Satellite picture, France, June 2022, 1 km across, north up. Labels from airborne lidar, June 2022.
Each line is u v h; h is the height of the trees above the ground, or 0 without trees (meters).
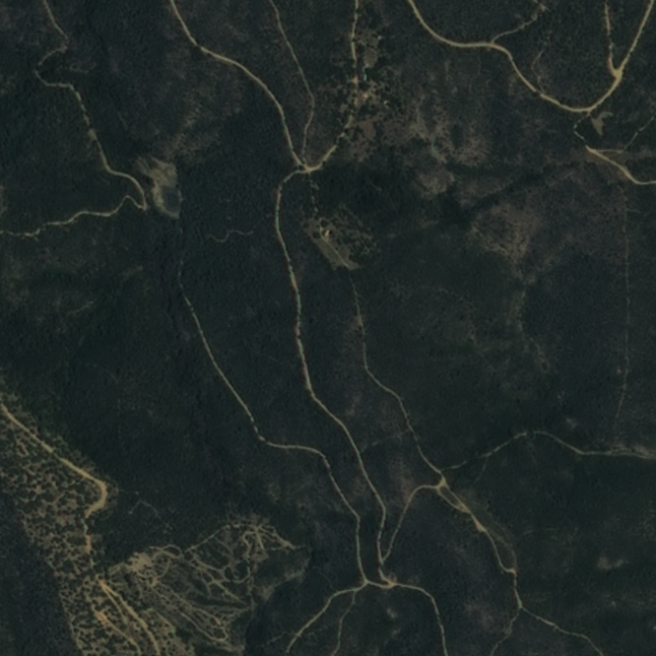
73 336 7
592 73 7
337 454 7
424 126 0
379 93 6
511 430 10
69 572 6
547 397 7
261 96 6
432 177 0
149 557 0
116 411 7
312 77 5
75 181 11
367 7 6
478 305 7
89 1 7
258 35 6
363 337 6
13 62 6
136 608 9
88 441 7
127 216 8
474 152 0
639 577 7
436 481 7
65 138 7
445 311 9
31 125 12
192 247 10
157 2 6
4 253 7
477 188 0
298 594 7
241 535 7
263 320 9
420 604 7
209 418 11
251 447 9
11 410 7
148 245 10
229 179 6
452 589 6
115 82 7
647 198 6
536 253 7
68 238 7
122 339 7
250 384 6
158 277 9
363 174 7
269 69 6
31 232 7
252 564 7
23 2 7
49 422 7
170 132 6
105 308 8
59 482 8
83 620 8
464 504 0
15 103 6
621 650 6
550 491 8
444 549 6
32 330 10
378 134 7
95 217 6
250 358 6
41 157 6
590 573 9
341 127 7
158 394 7
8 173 10
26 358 6
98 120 9
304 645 6
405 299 7
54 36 9
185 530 6
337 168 9
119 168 6
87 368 6
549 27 6
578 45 9
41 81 12
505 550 0
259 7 9
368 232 6
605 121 8
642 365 6
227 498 8
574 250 6
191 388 17
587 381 9
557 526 6
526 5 7
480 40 8
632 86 5
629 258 6
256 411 6
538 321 6
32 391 10
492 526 0
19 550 8
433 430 6
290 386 7
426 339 10
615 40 8
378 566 6
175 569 0
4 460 6
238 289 8
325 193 6
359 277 6
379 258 8
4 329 6
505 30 6
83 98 10
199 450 7
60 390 8
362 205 8
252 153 7
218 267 6
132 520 6
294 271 6
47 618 6
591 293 6
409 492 0
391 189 8
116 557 12
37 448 7
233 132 9
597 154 0
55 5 9
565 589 8
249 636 8
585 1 7
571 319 6
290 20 7
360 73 8
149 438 6
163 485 7
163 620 0
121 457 8
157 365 7
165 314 8
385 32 8
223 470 13
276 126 7
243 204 7
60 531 7
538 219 0
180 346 15
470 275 7
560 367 7
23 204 7
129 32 6
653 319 7
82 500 7
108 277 8
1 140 6
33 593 8
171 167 0
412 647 8
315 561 7
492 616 0
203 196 8
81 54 10
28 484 7
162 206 0
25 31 10
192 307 8
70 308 6
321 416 6
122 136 7
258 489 8
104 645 8
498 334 6
